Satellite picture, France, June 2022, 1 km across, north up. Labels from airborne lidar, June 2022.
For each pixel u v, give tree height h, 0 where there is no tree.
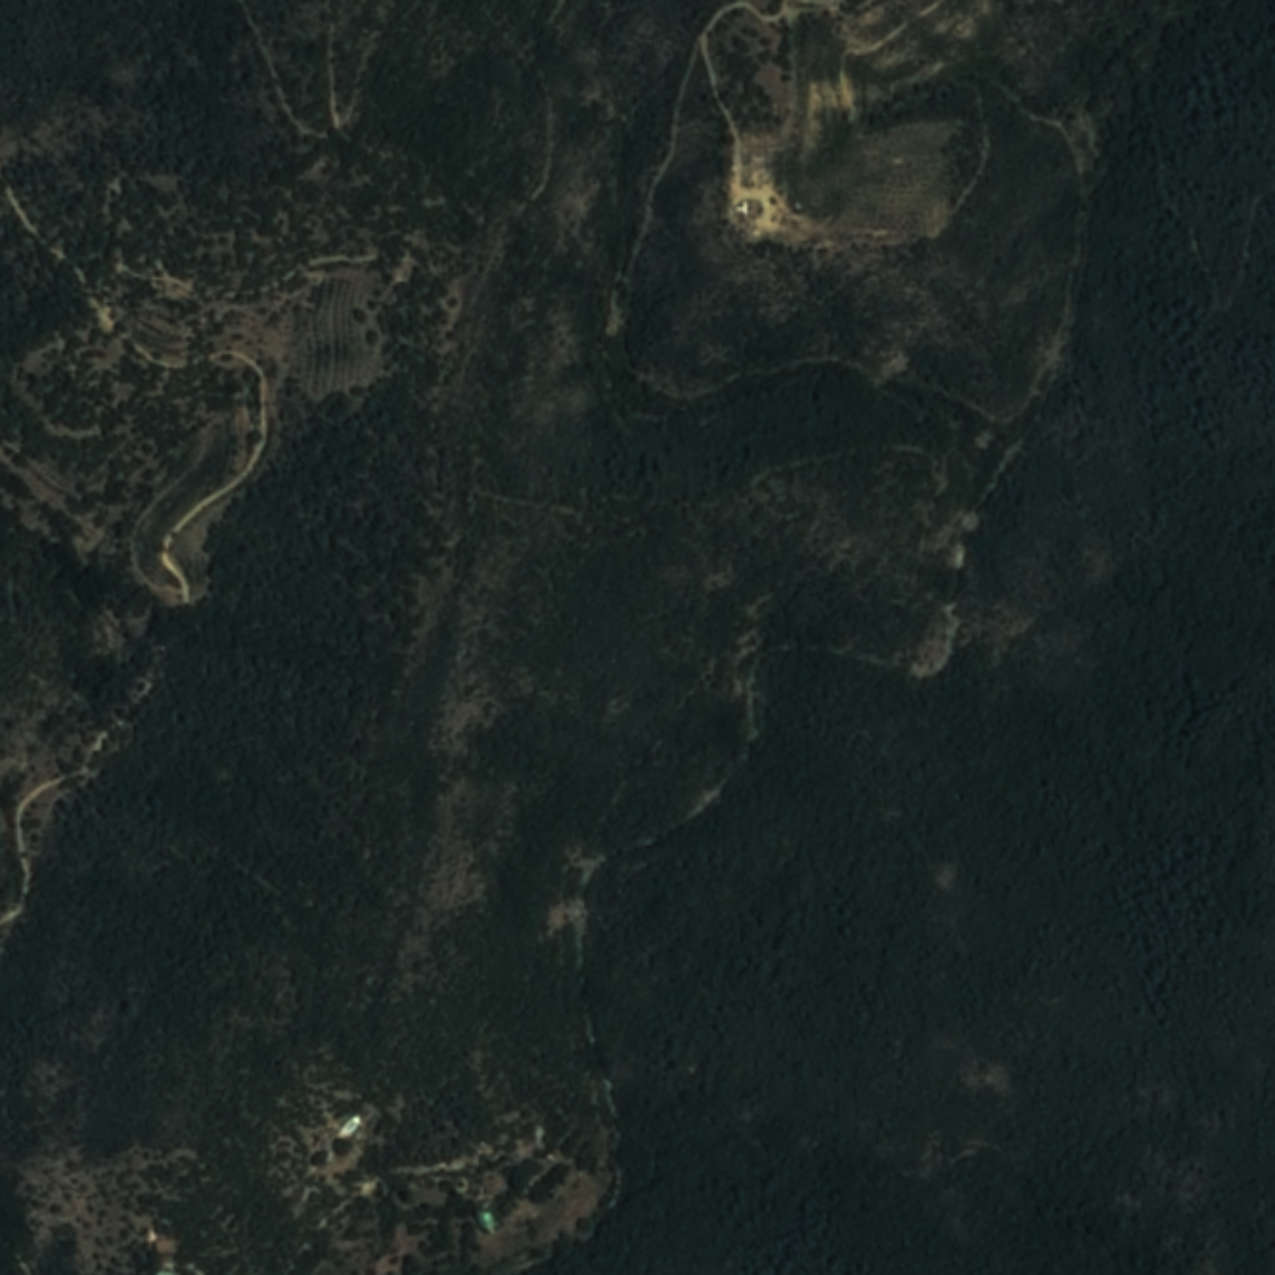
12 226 6
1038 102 11
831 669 7
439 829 9
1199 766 16
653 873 7
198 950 7
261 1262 7
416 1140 8
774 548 9
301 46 7
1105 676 5
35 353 7
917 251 8
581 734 6
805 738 7
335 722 9
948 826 10
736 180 0
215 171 9
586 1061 10
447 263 7
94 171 11
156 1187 6
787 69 7
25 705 6
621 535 8
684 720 10
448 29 7
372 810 6
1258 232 8
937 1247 6
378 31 8
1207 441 9
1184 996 12
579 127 8
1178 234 8
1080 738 11
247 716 9
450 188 11
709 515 7
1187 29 8
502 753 13
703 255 0
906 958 7
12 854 8
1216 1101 7
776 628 9
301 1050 15
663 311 7
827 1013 10
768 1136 7
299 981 11
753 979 9
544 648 9
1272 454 6
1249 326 7
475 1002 8
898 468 7
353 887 8
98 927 6
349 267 7
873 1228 8
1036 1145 7
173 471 7
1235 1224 6
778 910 7
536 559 8
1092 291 6
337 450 7
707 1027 6
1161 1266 7
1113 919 7
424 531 7
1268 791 9
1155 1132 6
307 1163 6
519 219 7
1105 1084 7
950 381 11
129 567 7
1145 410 10
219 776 11
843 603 8
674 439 5
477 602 7
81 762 7
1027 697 6
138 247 9
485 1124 13
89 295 7
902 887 9
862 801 7
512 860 8
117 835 7
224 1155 8
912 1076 7
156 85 9
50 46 7
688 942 8
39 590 7
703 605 9
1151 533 12
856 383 7
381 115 9
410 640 7
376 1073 8
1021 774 9
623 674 7
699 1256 7
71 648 9
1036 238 6
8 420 11
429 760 6
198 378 7
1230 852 12
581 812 9
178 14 7
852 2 7
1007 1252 7
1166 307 6
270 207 8
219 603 9
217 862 6
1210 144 9
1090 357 7
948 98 9
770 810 6
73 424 7
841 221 0
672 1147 10
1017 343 7
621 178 7
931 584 7
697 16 6
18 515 11
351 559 10
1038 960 12
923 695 6
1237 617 12
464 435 6
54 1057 9
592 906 8
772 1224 7
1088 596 6
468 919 6
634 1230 8
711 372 7
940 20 0
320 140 6
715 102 8
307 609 9
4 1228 10
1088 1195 9
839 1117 9
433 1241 9
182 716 7
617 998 6
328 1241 12
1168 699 10
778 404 6
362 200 9
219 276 7
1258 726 9
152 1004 6
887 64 0
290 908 6
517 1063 9
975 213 9
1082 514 6
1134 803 12
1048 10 11
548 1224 0
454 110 8
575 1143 12
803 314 10
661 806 8
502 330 7
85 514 8
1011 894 10
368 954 9
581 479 6
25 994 6
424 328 8
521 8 6
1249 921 7
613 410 10
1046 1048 9
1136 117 9
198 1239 7
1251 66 7
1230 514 8
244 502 8
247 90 6
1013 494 6
